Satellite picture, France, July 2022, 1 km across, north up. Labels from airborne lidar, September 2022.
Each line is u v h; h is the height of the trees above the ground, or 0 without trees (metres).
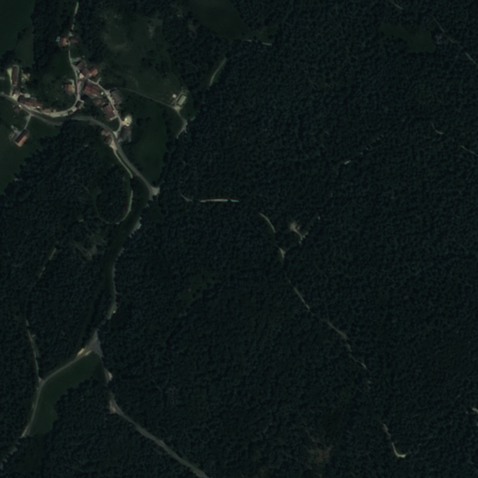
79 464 28
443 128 25
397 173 13
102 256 15
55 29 17
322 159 21
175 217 22
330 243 18
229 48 28
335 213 8
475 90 27
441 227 24
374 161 31
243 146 13
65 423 21
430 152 24
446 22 29
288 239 16
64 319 17
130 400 23
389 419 28
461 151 17
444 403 20
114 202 14
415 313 17
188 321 27
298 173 10
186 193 15
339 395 29
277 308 18
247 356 17
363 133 21
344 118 23
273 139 11
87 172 20
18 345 6
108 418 28
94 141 10
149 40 0
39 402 0
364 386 25
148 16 10
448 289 13
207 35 26
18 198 33
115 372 10
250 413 23
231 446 27
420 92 12
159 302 13
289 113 25
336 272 15
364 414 24
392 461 26
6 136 0
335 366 28
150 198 0
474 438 28
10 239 17
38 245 17
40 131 0
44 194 15
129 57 0
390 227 20
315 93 25
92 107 9
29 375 11
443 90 12
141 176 0
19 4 0
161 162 0
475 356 16
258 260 14
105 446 14
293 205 9
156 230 22
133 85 0
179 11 8
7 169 0
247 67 19
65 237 17
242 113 14
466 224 18
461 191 15
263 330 10
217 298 21
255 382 29
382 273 26
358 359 25
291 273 15
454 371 17
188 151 21
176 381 21
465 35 28
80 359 0
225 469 23
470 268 18
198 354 21
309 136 22
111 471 22
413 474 22
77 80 0
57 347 18
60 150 10
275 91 13
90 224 15
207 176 13
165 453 38
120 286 20
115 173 15
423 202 16
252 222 11
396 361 14
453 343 17
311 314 11
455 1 18
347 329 29
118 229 22
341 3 23
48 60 19
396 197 15
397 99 18
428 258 17
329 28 19
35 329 19
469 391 25
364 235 23
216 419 27
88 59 0
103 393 25
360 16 25
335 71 26
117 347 21
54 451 25
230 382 23
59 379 0
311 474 21
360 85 30
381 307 8
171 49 7
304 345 21
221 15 0
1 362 24
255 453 25
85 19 18
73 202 8
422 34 0
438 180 21
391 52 7
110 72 7
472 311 20
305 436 27
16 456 14
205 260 21
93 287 25
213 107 16
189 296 0
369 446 22
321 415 23
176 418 29
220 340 22
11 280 21
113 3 10
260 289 21
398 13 21
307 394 24
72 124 15
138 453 25
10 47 0
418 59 34
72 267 19
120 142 0
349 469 23
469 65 24
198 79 26
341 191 17
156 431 30
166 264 9
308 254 10
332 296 15
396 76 16
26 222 21
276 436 28
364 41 27
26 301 13
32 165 36
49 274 16
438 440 25
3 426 24
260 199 18
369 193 16
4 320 21
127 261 20
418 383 15
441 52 18
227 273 21
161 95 0
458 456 30
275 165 25
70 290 31
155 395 25
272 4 24
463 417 22
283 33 18
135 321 29
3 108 0
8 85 0
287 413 30
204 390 25
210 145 18
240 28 0
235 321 24
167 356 19
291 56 18
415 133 14
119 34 0
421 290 10
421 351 14
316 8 12
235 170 10
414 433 18
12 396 23
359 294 25
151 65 12
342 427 6
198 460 30
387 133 20
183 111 0
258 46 26
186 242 10
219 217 18
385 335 7
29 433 0
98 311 21
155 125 0
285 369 21
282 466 10
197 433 26
